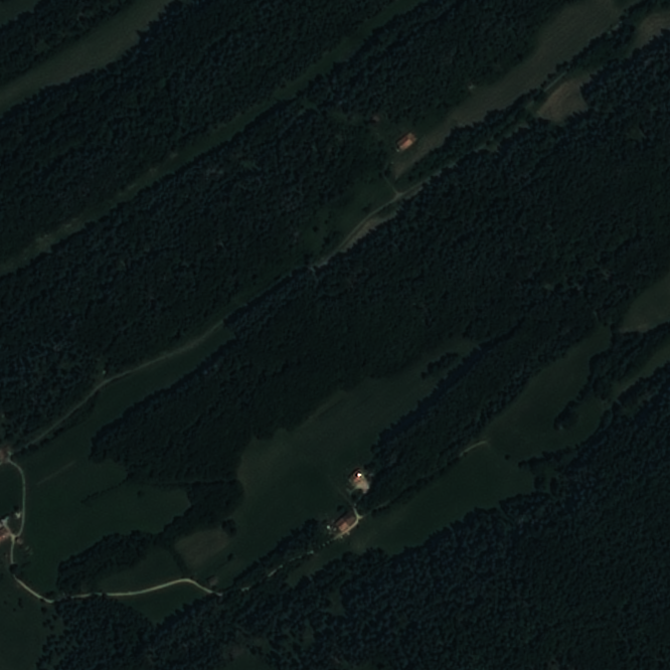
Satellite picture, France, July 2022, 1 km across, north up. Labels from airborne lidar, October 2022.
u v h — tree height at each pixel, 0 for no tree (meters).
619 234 26
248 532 0
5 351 21
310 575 0
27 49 18
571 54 0
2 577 8
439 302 20
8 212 28
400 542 0
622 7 0
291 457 0
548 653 20
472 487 0
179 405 16
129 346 19
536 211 17
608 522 18
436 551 36
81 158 23
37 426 15
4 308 27
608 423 18
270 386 18
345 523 0
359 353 21
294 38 14
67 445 0
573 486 9
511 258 22
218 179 13
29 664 0
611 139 25
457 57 16
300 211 20
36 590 5
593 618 11
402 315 19
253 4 26
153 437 20
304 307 20
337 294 14
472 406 24
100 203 10
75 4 19
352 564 27
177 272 29
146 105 12
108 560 11
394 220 10
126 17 0
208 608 24
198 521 13
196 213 17
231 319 9
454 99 16
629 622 13
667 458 21
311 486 0
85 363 12
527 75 0
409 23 18
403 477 14
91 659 24
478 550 37
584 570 21
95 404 7
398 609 36
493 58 19
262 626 26
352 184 15
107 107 29
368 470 13
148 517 0
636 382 0
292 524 0
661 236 31
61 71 0
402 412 0
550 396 0
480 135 26
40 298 24
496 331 23
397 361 23
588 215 24
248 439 25
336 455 0
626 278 26
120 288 24
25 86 0
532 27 27
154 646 26
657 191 24
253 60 14
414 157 0
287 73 16
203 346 0
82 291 23
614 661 19
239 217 17
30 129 19
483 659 19
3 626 0
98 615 23
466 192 22
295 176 12
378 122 9
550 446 0
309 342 21
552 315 23
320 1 15
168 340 12
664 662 7
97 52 0
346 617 0
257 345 18
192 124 13
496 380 22
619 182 24
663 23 0
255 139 22
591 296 23
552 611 17
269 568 12
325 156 17
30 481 0
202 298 22
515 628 15
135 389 0
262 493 0
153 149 13
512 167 22
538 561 22
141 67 16
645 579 17
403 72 26
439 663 20
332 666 22
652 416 27
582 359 0
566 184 16
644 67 28
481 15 18
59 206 18
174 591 0
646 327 0
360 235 0
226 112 22
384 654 22
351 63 9
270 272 8
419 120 12
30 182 20
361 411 0
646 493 16
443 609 35
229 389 20
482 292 23
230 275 14
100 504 0
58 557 0
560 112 0
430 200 18
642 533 16
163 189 21
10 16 0
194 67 11
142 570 0
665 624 19
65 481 0
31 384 27
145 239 16
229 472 16
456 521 0
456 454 18
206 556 0
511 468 0
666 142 23
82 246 20
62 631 0
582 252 26
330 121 10
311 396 23
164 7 0
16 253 14
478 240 23
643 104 28
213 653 34
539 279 21
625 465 25
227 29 23
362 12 24
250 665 0
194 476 13
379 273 22
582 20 0
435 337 26
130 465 15
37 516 0
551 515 24
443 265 21
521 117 21
